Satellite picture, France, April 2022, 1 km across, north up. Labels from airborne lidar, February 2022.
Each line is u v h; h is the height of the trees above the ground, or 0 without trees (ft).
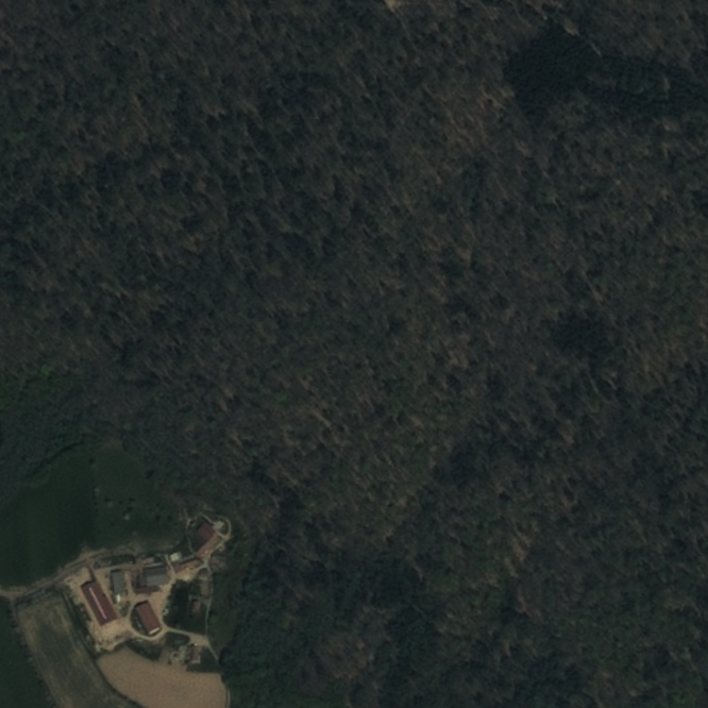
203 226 98
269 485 81
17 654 0
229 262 91
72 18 96
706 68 90
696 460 95
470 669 75
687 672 93
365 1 88
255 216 87
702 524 97
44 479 51
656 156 96
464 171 91
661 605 82
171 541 0
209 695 0
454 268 93
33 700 0
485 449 90
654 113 99
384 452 77
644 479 89
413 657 63
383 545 90
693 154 91
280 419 99
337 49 91
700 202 86
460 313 111
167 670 0
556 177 55
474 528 82
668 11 100
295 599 87
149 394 97
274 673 77
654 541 90
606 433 75
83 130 83
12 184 84
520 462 80
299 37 91
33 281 91
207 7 98
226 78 95
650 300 87
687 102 94
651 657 89
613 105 83
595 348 90
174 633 0
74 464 0
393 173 87
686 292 85
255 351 101
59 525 0
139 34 83
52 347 96
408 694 52
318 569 76
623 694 88
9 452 56
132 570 0
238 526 0
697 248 85
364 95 82
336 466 69
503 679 64
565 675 87
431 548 87
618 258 84
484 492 71
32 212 102
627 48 96
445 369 94
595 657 89
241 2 87
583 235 95
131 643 0
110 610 0
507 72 93
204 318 88
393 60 62
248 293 87
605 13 90
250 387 109
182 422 87
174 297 101
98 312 84
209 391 97
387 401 87
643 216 91
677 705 98
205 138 99
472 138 96
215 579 23
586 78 74
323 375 98
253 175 86
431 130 74
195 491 98
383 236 93
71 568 0
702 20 79
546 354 80
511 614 68
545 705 88
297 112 79
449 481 97
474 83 87
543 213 90
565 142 56
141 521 0
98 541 0
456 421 86
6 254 85
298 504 87
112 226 84
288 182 97
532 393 86
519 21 92
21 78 91
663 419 82
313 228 89
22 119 75
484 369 88
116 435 89
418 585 62
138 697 0
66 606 0
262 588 101
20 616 0
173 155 85
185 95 81
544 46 84
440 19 73
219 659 0
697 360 102
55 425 62
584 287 81
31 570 0
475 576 80
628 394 93
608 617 55
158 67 81
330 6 94
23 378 99
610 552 73
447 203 94
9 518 0
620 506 78
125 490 0
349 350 90
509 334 92
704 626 88
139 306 85
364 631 83
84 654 0
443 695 61
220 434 90
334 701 48
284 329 82
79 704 0
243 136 86
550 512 87
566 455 83
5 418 57
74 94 86
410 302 98
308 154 95
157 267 64
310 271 90
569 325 76
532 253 89
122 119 93
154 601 0
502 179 91
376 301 94
